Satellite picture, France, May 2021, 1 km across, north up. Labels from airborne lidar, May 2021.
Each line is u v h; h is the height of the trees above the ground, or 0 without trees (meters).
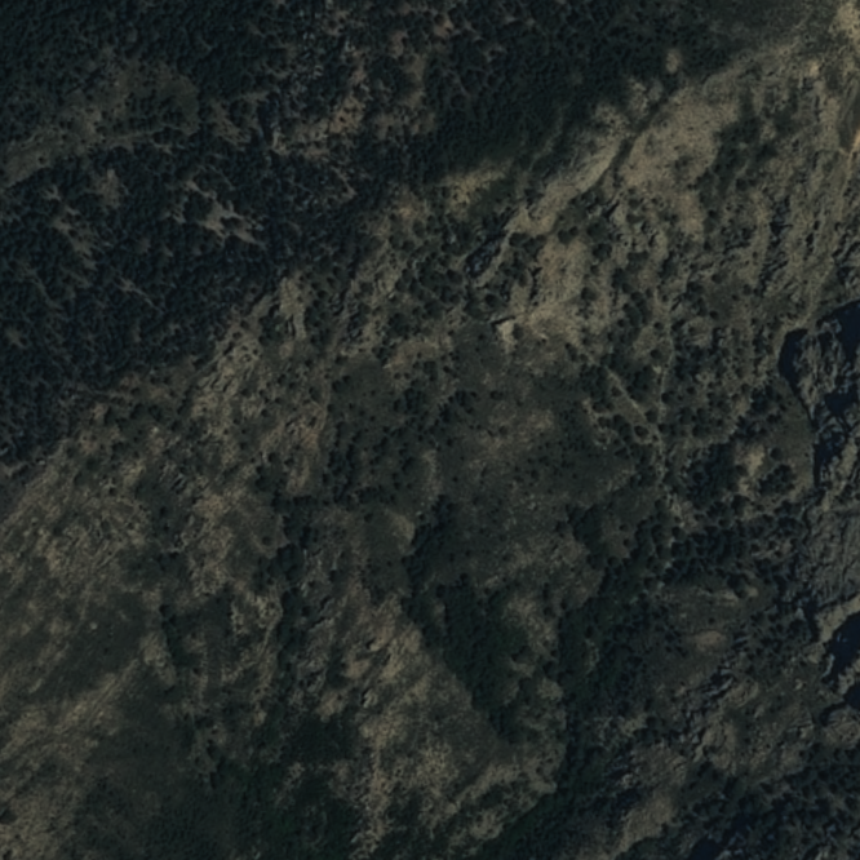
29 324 10
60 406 6
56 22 13
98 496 7
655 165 0
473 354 0
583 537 21
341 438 11
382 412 0
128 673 0
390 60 11
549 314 0
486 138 8
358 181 10
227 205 10
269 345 22
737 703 0
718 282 15
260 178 8
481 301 20
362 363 0
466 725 0
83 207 11
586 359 14
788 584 17
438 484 0
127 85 0
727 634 0
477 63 17
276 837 6
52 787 0
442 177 10
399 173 9
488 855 10
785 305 0
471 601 22
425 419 11
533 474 9
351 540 0
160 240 15
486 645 25
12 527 0
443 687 0
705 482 18
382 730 0
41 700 0
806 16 0
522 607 0
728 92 0
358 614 0
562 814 11
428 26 13
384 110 11
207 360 7
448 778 0
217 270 12
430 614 17
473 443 0
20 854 0
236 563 0
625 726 7
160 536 8
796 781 19
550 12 18
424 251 10
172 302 12
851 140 0
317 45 10
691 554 17
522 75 12
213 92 14
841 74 0
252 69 16
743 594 16
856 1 0
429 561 20
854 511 0
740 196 0
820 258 9
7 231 10
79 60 15
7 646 0
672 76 6
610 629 19
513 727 22
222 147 10
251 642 14
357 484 14
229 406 0
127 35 12
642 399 18
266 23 18
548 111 7
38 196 13
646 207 6
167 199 13
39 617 0
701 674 0
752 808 21
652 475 15
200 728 13
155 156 16
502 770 0
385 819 7
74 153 8
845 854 0
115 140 0
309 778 6
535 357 0
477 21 11
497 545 0
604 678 16
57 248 20
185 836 11
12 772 0
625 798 9
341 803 6
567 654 21
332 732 7
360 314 10
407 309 0
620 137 0
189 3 6
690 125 0
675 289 0
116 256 15
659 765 0
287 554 23
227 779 22
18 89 10
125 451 22
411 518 0
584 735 25
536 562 0
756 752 7
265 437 0
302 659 9
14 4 16
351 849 8
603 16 14
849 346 0
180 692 19
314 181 7
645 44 9
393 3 14
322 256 9
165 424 20
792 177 0
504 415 0
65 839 0
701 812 21
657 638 0
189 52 17
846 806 0
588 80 7
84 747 0
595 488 0
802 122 0
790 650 10
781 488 11
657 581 13
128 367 11
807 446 0
